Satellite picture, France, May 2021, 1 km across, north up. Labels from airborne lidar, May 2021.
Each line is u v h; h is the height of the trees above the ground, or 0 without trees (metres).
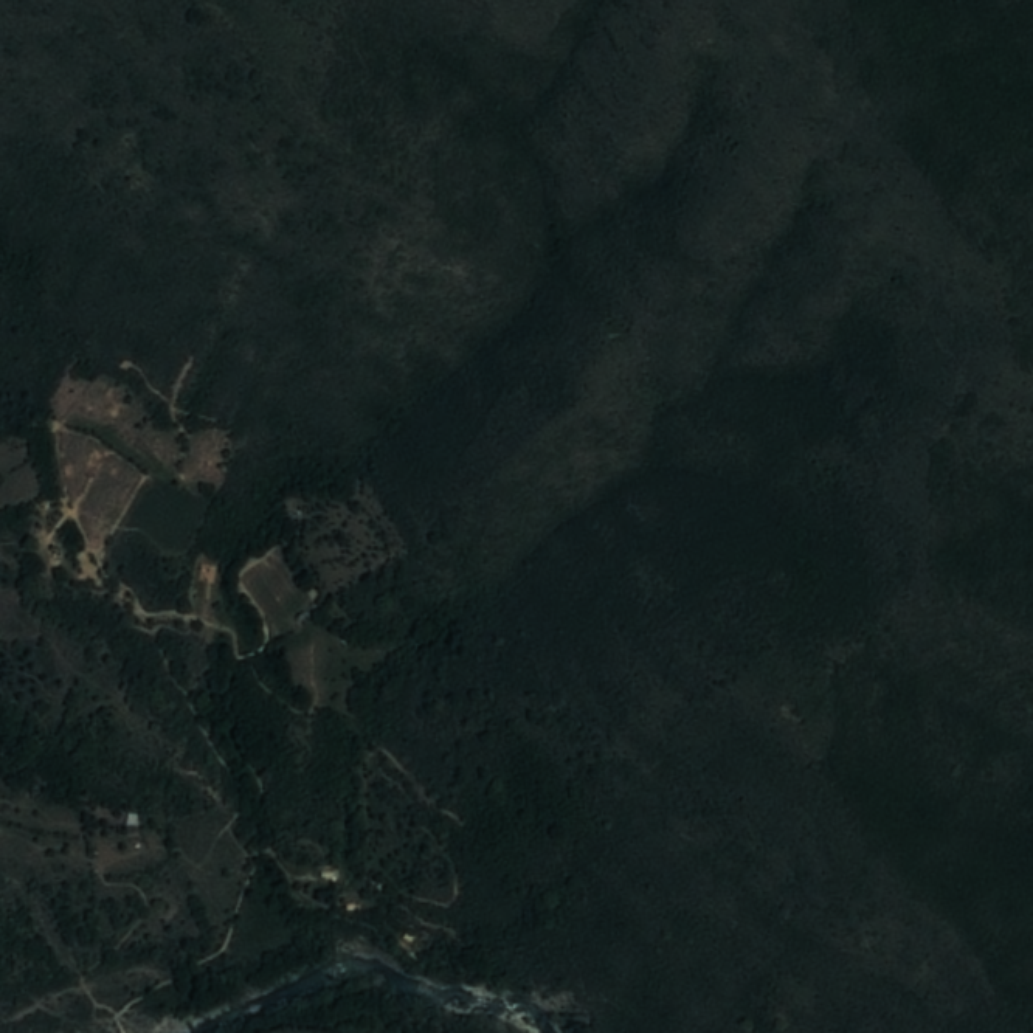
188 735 6
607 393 0
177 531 0
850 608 6
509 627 5
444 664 10
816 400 5
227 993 16
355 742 17
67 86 0
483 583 6
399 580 9
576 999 6
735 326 6
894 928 0
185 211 0
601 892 6
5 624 0
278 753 10
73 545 8
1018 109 6
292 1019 11
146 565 6
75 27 8
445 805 11
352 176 0
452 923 7
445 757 11
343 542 10
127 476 0
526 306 7
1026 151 5
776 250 6
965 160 7
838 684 6
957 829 5
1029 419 0
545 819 7
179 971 16
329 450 8
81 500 0
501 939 12
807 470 6
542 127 6
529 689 6
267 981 8
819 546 6
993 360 0
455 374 6
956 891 5
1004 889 5
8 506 8
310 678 0
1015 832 6
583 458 0
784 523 7
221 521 6
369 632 8
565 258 6
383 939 6
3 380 5
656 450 7
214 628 0
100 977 0
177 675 11
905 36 5
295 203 0
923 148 6
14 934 12
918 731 6
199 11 9
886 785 6
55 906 13
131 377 6
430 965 11
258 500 11
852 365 6
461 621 8
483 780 10
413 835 9
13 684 18
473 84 5
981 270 0
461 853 8
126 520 0
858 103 0
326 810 9
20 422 9
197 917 12
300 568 8
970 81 7
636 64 0
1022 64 5
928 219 0
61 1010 0
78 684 9
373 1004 9
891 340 6
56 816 0
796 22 0
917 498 0
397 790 7
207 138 0
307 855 7
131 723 0
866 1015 6
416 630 17
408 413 8
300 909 8
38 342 5
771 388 6
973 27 6
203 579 0
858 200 0
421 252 0
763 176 0
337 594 7
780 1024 11
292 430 8
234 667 11
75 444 0
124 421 0
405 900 11
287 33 0
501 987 21
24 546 13
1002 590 7
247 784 20
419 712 10
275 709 6
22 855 0
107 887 0
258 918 0
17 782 17
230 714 12
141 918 6
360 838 7
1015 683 6
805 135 0
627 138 0
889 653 6
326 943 9
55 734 6
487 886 7
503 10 0
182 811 8
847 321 6
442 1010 6
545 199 7
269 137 0
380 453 7
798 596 6
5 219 6
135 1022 0
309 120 0
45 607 13
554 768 6
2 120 0
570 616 5
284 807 6
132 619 14
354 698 12
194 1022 0
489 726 6
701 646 8
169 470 0
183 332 6
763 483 5
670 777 6
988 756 6
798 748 0
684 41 0
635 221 6
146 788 10
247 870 10
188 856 0
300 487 8
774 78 0
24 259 7
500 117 6
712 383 5
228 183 0
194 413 7
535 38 0
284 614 0
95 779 6
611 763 6
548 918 10
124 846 9
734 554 5
